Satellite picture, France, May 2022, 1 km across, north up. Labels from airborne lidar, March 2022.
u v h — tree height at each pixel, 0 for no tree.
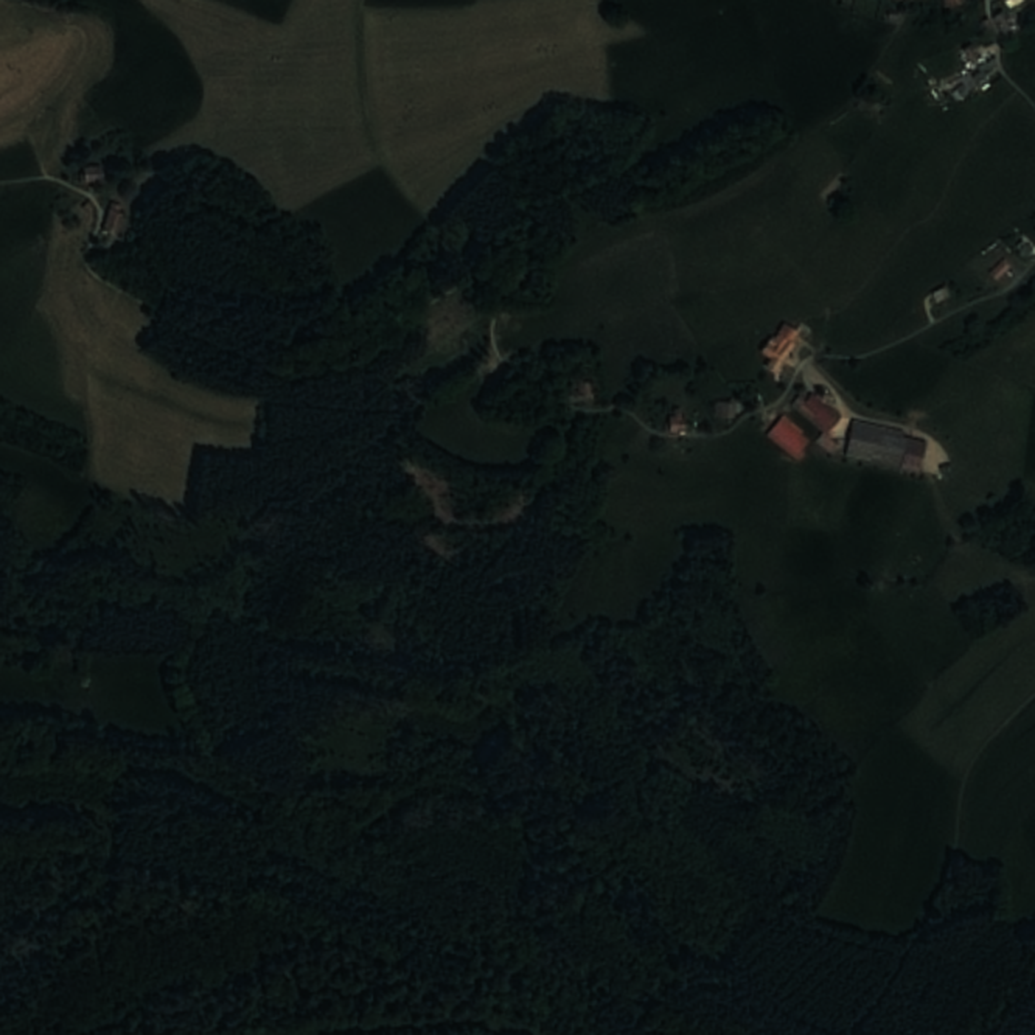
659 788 20
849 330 0
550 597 15
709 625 20
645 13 0
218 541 0
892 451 0
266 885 22
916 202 0
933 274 0
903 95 0
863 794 0
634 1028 30
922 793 0
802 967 15
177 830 11
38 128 0
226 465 25
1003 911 22
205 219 20
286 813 18
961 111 0
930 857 0
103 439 0
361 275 0
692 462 0
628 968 19
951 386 0
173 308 25
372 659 29
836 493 0
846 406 0
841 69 0
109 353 0
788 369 0
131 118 0
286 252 19
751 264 0
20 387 0
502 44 0
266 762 32
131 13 0
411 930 18
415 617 19
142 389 0
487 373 0
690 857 11
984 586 0
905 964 17
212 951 14
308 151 0
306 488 25
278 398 24
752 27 0
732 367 0
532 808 29
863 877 0
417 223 0
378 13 0
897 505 0
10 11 0
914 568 0
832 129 0
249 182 18
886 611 0
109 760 37
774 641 0
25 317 0
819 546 0
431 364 0
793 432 0
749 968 18
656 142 0
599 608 0
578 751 19
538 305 26
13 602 13
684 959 28
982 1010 19
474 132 0
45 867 11
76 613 21
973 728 0
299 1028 17
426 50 0
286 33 0
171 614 28
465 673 27
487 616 14
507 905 14
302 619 8
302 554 21
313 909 22
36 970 23
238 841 18
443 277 25
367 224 0
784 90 0
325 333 30
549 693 32
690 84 0
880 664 0
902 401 0
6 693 0
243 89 0
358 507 21
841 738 0
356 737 0
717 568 21
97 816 6
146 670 0
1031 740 0
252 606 15
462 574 17
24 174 0
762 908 11
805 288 0
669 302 0
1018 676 0
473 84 0
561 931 18
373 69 0
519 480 18
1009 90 0
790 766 17
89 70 0
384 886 19
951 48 0
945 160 0
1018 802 0
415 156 0
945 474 0
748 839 19
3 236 0
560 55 0
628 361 0
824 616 0
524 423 15
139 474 0
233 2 0
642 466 0
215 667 15
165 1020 29
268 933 13
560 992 24
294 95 0
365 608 21
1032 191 0
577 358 12
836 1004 17
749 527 0
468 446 0
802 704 0
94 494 0
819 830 26
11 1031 11
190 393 0
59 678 0
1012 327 7
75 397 0
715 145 29
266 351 27
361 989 12
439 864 12
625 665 30
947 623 0
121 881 32
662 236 0
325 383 28
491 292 31
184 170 22
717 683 16
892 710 0
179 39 0
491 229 28
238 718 17
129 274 15
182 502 0
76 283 0
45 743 31
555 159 27
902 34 0
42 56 0
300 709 31
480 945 12
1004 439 0
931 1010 18
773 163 0
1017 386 0
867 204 0
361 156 0
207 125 0
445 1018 13
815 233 0
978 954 20
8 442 13
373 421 21
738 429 0
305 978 35
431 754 20
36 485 0
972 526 20
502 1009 17
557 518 20
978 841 0
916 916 0
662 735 32
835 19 0
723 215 0
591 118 28
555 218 23
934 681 0
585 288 0
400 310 33
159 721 0
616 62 0
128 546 30
